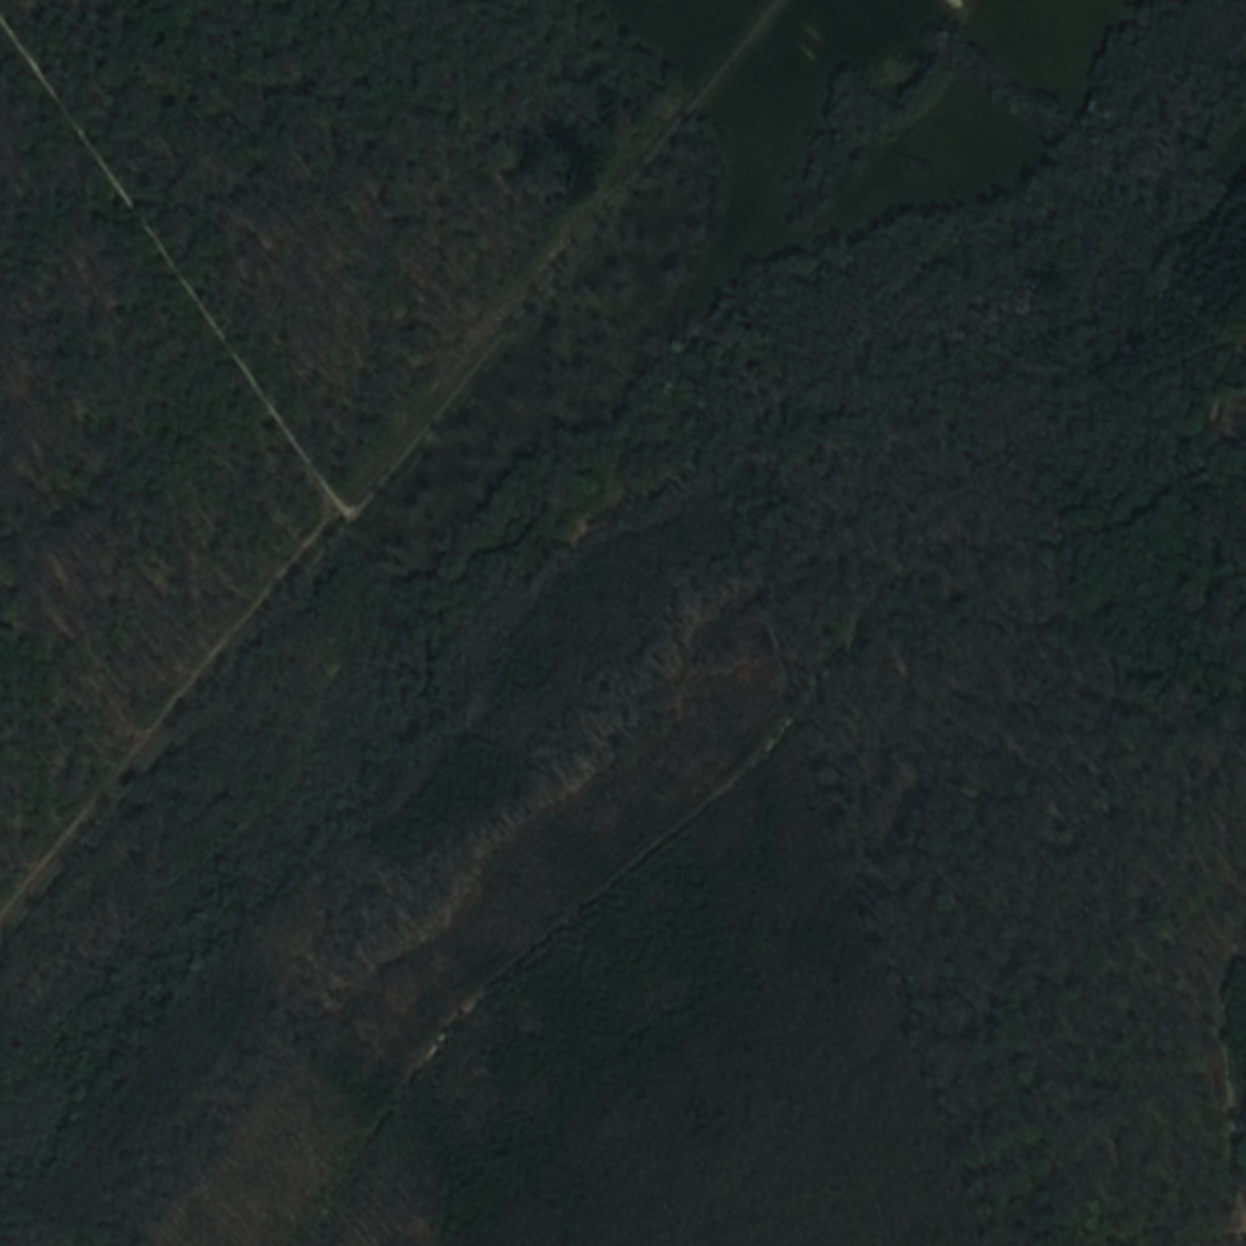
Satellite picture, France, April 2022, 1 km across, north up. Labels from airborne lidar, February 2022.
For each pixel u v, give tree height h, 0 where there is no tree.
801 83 0
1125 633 24
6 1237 14
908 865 31
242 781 24
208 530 24
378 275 25
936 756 29
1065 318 22
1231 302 25
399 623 20
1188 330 18
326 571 24
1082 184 30
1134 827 27
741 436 26
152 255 23
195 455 22
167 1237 0
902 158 0
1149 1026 25
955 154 0
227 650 0
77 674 26
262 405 17
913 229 21
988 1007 28
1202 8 18
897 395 25
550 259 0
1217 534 25
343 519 0
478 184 28
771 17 0
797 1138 10
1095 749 27
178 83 25
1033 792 28
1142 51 17
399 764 8
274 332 24
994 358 21
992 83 14
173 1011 18
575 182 21
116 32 27
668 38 0
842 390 23
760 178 0
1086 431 20
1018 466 27
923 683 29
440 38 25
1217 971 24
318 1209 0
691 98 0
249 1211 0
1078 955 22
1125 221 20
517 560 21
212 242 23
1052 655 29
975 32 0
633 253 24
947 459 23
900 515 27
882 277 26
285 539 26
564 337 28
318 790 7
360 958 17
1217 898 28
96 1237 18
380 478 0
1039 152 0
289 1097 0
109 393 27
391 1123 11
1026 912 25
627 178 0
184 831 28
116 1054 8
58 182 25
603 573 0
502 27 27
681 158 20
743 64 0
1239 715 26
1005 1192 27
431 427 0
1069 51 0
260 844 6
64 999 20
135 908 19
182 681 26
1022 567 28
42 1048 18
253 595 23
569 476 25
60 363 26
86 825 0
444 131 30
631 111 22
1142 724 28
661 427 22
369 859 0
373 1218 0
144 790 26
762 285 17
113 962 9
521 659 0
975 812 29
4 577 29
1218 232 24
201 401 22
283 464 23
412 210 25
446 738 23
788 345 24
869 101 22
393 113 30
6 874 24
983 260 24
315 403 24
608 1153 7
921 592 23
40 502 24
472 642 6
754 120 0
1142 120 22
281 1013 19
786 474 20
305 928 0
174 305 25
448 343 23
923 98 21
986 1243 15
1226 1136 29
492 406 0
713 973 10
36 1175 18
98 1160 13
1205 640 27
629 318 0
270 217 18
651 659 19
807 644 26
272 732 22
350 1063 18
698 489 19
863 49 0
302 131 28
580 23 27
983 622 25
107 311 28
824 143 11
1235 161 0
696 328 15
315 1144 0
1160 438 22
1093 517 25
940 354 23
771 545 19
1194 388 13
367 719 8
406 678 13
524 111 29
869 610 20
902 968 26
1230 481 27
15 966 22
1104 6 0
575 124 27
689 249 0
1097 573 26
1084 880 28
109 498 26
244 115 25
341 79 27
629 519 13
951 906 27
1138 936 27
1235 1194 17
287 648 24
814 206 7
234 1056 0
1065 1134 30
